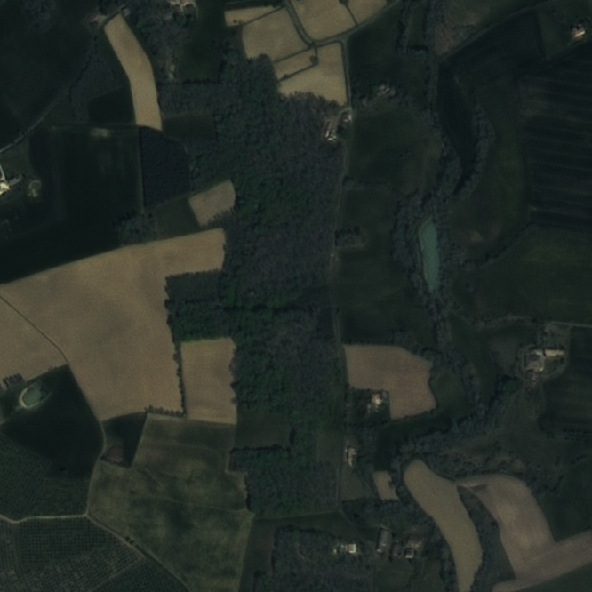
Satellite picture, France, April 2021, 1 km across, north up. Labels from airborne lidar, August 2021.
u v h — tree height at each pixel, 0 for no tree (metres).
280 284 25
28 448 0
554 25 0
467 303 0
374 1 0
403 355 0
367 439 12
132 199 0
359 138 0
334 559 22
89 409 0
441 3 10
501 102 0
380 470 0
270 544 0
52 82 0
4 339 0
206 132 0
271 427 0
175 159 12
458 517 0
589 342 0
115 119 0
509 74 0
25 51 0
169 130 0
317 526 0
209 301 18
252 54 0
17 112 0
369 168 0
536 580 0
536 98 0
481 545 8
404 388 0
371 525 0
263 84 26
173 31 22
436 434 17
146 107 0
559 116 0
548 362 0
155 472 0
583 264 0
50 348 0
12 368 0
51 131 0
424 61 20
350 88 0
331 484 21
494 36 0
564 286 0
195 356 0
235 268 13
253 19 0
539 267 0
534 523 0
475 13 0
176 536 0
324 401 22
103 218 0
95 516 0
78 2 0
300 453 22
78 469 0
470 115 0
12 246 0
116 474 0
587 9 0
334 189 20
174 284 12
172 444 0
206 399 0
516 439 0
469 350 0
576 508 0
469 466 7
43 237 0
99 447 0
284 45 0
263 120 23
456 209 0
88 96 13
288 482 25
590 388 0
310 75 0
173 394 0
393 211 0
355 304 0
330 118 17
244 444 0
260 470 23
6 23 0
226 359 0
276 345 22
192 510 0
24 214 0
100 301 0
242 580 0
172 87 18
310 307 9
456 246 6
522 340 0
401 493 14
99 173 0
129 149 0
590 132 0
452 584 14
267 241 17
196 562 0
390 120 0
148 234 21
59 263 0
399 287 0
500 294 0
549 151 0
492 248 0
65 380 0
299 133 19
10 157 0
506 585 0
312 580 15
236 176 16
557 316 0
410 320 0
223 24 0
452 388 0
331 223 18
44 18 19
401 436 0
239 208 13
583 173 0
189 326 21
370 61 0
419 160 0
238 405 15
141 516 0
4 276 0
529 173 0
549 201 0
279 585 16
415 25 0
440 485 0
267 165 15
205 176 14
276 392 15
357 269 0
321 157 16
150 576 6
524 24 0
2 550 6
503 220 0
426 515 6
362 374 0
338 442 0
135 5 16
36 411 0
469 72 0
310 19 0
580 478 0
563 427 0
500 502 0
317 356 21
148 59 0
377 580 0
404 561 0
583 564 0
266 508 22
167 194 9
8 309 0
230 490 0
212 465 0
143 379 0
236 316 30
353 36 0
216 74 0
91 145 0
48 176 0
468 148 0
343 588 20
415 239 28
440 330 27
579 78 0
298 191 23
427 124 12
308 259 21
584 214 0
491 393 0
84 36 0
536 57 0
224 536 0
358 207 0
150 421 0
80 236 0
